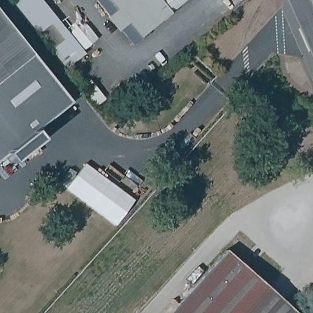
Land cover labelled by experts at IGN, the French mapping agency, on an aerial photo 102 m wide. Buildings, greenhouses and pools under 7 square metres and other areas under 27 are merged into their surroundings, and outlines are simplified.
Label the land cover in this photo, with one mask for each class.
<instances>
[{"label":"herbaceous vegetation","instance_id":"1","mask_svg":"<svg viewBox=\"0 0 313 313\"><path fill-rule=\"evenodd\" d=\"M18 0H0V6L75 99L81 98L78 88L65 73V65L57 57L56 51L51 53L45 48L43 40L39 38L38 29L32 26L18 9ZM276 13L275 0H252L243 7L242 20L219 35L215 44H210L207 48L212 54L213 62L223 66L225 71H230L231 60L240 54L242 46L251 42L254 35ZM236 82H248L249 87L259 97L267 98L274 106L275 114L278 115L276 123L280 130L285 132L286 142L289 143V148L282 149L286 153L282 160V168L286 169L287 163L295 156L297 150L301 147L303 138L307 136L306 128L309 126L311 123L307 110H293L292 104L296 95H301L303 99L313 103V88L298 57L286 53L273 55L268 61L264 60L263 67L258 71H247L245 68L241 76L236 77ZM161 66L137 73V76L128 78L131 82H148L156 89L160 95L158 105L152 110L156 117L148 123L134 121L133 127L120 128L123 132L150 134L163 130L166 126L172 125L175 116L188 103L192 104V99L201 97L209 86H212L213 81H208L207 77L198 72L197 66L183 67L174 79H165L159 76ZM221 109L216 112L213 119L202 130L196 128L193 132L194 144L185 143L187 131L170 133L168 139L161 143L155 152L165 149L168 158L166 160H182L185 163V175L192 176V179H186L182 187L181 202L187 205L186 214L183 215L185 221L174 231L161 234L154 229L149 231L147 221L150 201L159 192L156 191V187L153 190L148 188L147 192L142 193L141 198L134 199L132 207L121 223L112 225L103 215L79 201L67 188L59 193L55 199L48 202H26L17 213L10 216V219H0V313H38L71 275L79 273V265L114 229L119 235L94 260V267L89 265L48 313H133L134 308L147 306L156 292L202 245L205 238L213 234L216 227L232 213L286 183L298 180L295 174H289L284 170L278 179L262 188H254L249 183L243 185L234 170L235 158L230 150L235 141L237 114L230 105L229 98H223L220 101ZM53 207L56 208V213L64 212L66 216H72L77 223L78 232L75 237L71 242H65L62 247H56L54 241H46L39 230L43 218H46Z\"/></svg>","mask_w":313,"mask_h":313},{"label":"impervious surface","instance_id":"2","mask_svg":"<svg viewBox=\"0 0 313 313\"><path fill-rule=\"evenodd\" d=\"M60 21L66 16L75 23L78 12L81 15V22L88 24L97 35V40L86 49V55L75 62V70L81 72L86 81L97 84L92 98L99 104L105 101L112 88L120 86L121 81L131 82L128 78L137 76V73L161 66L165 61L180 55L183 46L201 39L202 35L208 33L226 13L237 9L238 6L243 7L252 0H187L181 6L172 9V15L168 20L150 31L154 37L148 42L125 44L112 33L117 27L110 21L112 13L100 4L99 0H44ZM276 13L254 35L251 42L242 46L240 54L231 60L230 71H225L223 77H214L213 81L212 86H209L201 97L192 99V104L188 103L175 116L172 125L166 126L163 130L150 134L123 132L120 128H116L115 122L104 126L100 112L86 99L81 98L75 99L71 109L45 126V131L50 136L48 144L43 147L39 145L33 153L24 156L22 160H10V164L0 166V219H10V216L17 213L26 202L27 185L38 175L55 177V190L59 193L67 188L84 165H90L134 199L141 198L142 193L147 192L148 188L144 185L142 171L145 161L149 160L148 156L155 152L161 143L168 139L170 133L187 131L185 143L194 144L193 132L196 128L202 130L213 119L216 112L221 109L220 101L223 98L224 90L236 82V77L241 76L245 68L247 71H258L263 67L264 60L268 61L273 55L286 53L298 57L313 88V0H275ZM307 136L303 138L301 147L297 150L302 153L303 163L308 164V169L313 170V127L309 126L306 128ZM230 251L256 270L300 313H303L298 307L297 298L308 296L312 290L308 285L313 282V174L304 176V181L298 180L286 183L232 213L216 227L213 234L205 238L202 245L156 292L147 306L134 308L133 313H174L179 307L175 297H187L196 291Z\"/></svg>","mask_w":313,"mask_h":313},{"label":"building","instance_id":"3","mask_svg":"<svg viewBox=\"0 0 313 313\"><path fill-rule=\"evenodd\" d=\"M18 9L32 26L38 29L39 38L43 40L45 48L51 53L56 51L57 57L65 65L68 62H75L86 55V49L97 40V35L88 24L81 22V15L78 12L75 23L66 16L60 21L44 0H18ZM100 4L112 13L110 21L117 27L112 33L125 44L148 42L154 37L150 31L168 20L172 15V9L181 6L187 0H99ZM75 99L0 6V166L10 164V160H22L24 156L33 153L39 145L43 147L48 144L50 136L45 131V126L71 109ZM79 201L103 215L112 225L121 223L132 207L134 199L90 165H84L67 188ZM179 307L174 313H300L256 270L230 251L196 291L187 297H175Z\"/></svg>","mask_w":313,"mask_h":313},{"label":"deciduous trees","instance_id":"4","mask_svg":"<svg viewBox=\"0 0 313 313\"><path fill-rule=\"evenodd\" d=\"M243 7L238 6L237 9L226 13L208 33L202 35L201 39L183 46L180 55L165 61L161 66L159 76L165 79H174L183 67L197 66L198 72L207 77L208 81H213L214 77H223L225 71L223 66L213 62L212 54L207 48L210 44H215L219 35L242 20ZM65 73L78 88L81 98L86 99L100 112L104 126L115 122L116 128H120L133 127L134 121L148 123L156 117L152 110L158 105L160 95L156 89L148 82H131L121 81L120 86L112 88L105 101L99 104L92 98L97 84L86 81L81 72L75 70V62H68L65 65ZM229 98L230 105L237 114L235 141L230 150L235 158L234 170L243 185L249 183L254 188H262L278 179L284 170L289 174H295L298 180L304 181V176L313 174V170L308 169V164L303 163L302 153L297 150L295 156L287 163L286 169L282 168V160L286 153L282 149L289 148V143L286 142L285 132L280 130L276 123L278 115L275 114L274 106L267 98L259 97L249 87L248 82H236L224 90L223 98ZM293 110H307L311 123L309 126L313 127V103L303 99L301 95H296L292 104ZM149 160L145 161L142 171L144 185L148 188L153 190L156 187V191L159 192L150 201L147 221L149 231L154 229L161 234L174 231L185 221L183 215L186 214L187 205L181 202L182 187L186 179H192V176L185 175V163L182 160H166L168 158L165 149L155 152L148 156ZM55 177L38 175L27 185L26 202H48L55 199L59 193L55 190ZM39 230L46 241H54L56 247H62L65 242H71L75 237L78 232L77 223L72 216H66L64 212L56 213V208L53 207L46 218H43ZM312 290L308 296L297 298L298 307L303 313H313V282L308 285Z\"/></svg>","mask_w":313,"mask_h":313},{"label":"brushwood","instance_id":"5","mask_svg":"<svg viewBox=\"0 0 313 313\"><path fill-rule=\"evenodd\" d=\"M119 235L114 229L79 265V273L71 275L38 313H48L89 265L94 267V260Z\"/></svg>","mask_w":313,"mask_h":313}]
</instances>
